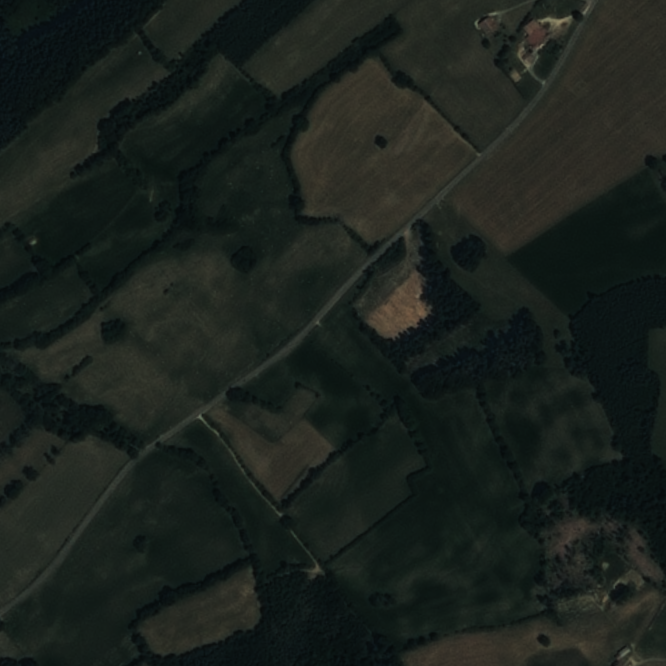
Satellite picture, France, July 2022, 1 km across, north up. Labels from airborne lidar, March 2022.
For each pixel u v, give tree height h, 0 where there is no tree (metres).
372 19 0
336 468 0
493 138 0
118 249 0
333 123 0
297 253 0
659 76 0
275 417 0
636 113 0
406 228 0
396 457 0
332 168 0
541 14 0
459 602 0
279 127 0
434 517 0
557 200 0
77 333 0
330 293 0
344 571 0
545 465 0
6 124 22
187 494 0
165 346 0
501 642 0
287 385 0
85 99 0
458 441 0
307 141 0
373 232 0
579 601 0
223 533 0
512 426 0
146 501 0
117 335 11
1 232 14
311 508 0
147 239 0
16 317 0
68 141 0
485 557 0
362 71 0
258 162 0
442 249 0
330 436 0
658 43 0
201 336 0
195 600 0
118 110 18
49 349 0
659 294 7
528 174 0
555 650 0
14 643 0
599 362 10
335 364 0
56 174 0
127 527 0
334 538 0
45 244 0
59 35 29
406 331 0
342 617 6
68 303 0
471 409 0
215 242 0
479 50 0
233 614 0
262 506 0
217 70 0
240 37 14
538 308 0
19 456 0
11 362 19
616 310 7
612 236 0
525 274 0
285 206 0
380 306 0
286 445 0
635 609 0
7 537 0
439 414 0
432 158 0
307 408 0
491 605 0
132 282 0
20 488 15
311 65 0
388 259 6
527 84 0
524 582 0
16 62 27
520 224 0
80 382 0
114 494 0
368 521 0
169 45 0
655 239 0
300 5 13
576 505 11
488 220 0
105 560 0
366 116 0
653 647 0
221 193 0
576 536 0
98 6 31
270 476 0
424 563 0
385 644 24
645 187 0
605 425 0
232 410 0
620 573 0
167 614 0
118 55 0
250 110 0
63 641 0
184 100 0
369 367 0
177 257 0
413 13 0
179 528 0
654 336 0
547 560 13
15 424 0
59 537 0
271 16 12
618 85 0
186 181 15
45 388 19
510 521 0
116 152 14
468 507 0
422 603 0
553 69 0
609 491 9
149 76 0
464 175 0
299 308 0
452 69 0
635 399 7
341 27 0
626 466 14
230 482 0
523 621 6
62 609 0
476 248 31
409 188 0
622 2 0
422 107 0
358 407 0
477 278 0
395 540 0
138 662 11
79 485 0
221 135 0
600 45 0
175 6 0
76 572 0
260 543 0
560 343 0
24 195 0
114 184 0
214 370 0
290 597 7
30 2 0
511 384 0
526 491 9
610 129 0
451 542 0
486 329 0
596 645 0
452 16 0
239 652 13
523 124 0
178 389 0
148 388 0
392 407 17
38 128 0
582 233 0
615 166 0
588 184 0
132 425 0
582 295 0
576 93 0
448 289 28
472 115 0
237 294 0
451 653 0
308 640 7
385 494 0
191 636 0
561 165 0
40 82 19
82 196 0
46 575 0
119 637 0
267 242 0
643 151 0
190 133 0
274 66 0
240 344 0
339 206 0
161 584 0
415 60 0
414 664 0
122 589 0
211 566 0
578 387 0
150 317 0
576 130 0
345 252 0
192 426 0
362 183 0
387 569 0
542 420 0
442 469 0
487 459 0
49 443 0
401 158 0
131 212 0
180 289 0
